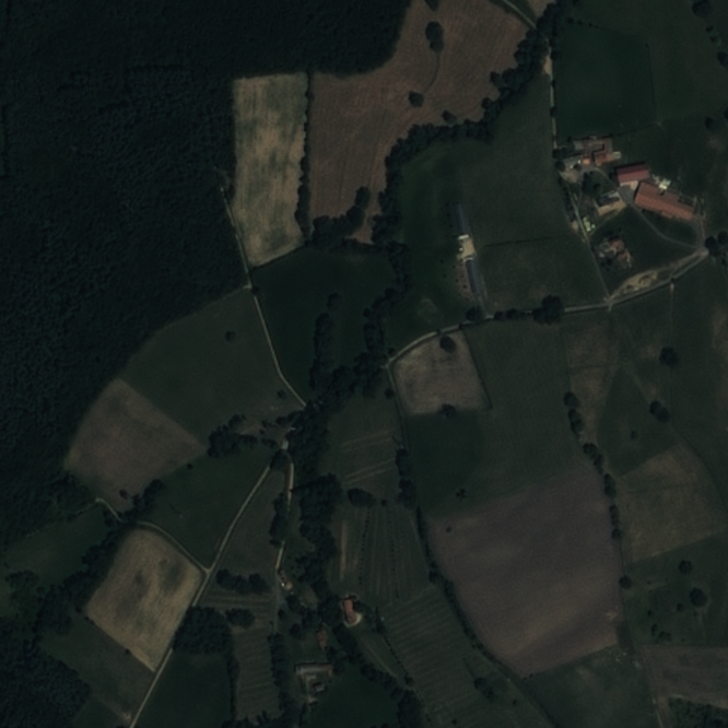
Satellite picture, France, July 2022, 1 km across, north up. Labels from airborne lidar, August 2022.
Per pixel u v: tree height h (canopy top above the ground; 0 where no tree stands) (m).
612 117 0
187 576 0
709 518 0
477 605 0
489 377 0
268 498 0
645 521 0
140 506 23
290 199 0
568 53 0
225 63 20
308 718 9
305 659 0
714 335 0
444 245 0
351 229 21
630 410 0
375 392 16
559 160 13
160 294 20
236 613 16
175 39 18
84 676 0
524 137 0
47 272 24
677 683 0
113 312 23
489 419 0
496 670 0
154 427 0
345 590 0
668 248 0
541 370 0
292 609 17
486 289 0
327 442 15
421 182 0
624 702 0
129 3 20
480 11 0
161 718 0
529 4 0
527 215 0
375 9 25
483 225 0
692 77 0
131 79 24
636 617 0
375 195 0
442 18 0
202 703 0
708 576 0
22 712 13
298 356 0
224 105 17
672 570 0
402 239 0
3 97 16
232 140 15
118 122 32
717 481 0
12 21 19
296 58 18
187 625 14
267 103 0
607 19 0
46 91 21
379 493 0
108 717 0
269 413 0
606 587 0
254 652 0
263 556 0
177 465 0
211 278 22
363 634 0
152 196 21
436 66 0
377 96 0
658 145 0
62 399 24
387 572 0
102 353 23
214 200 15
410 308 0
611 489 13
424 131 20
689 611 0
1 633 17
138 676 0
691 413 0
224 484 0
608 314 0
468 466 0
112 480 0
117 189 23
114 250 25
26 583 15
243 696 0
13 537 20
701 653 0
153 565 0
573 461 0
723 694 0
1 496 27
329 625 32
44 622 17
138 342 20
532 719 0
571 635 0
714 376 0
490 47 0
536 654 0
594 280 0
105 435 0
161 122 24
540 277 0
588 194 8
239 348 0
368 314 17
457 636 0
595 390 0
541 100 0
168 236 21
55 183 19
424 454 0
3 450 27
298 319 0
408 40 0
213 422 0
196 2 17
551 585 0
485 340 0
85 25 22
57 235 35
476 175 0
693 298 0
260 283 0
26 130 21
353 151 0
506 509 0
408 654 0
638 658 0
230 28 20
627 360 0
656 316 0
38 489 19
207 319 0
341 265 0
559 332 0
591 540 0
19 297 28
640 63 0
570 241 0
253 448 18
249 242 0
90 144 26
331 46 22
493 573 0
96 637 0
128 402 0
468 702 0
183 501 0
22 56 21
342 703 0
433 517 0
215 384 0
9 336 30
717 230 0
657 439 0
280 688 18
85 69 13
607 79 0
